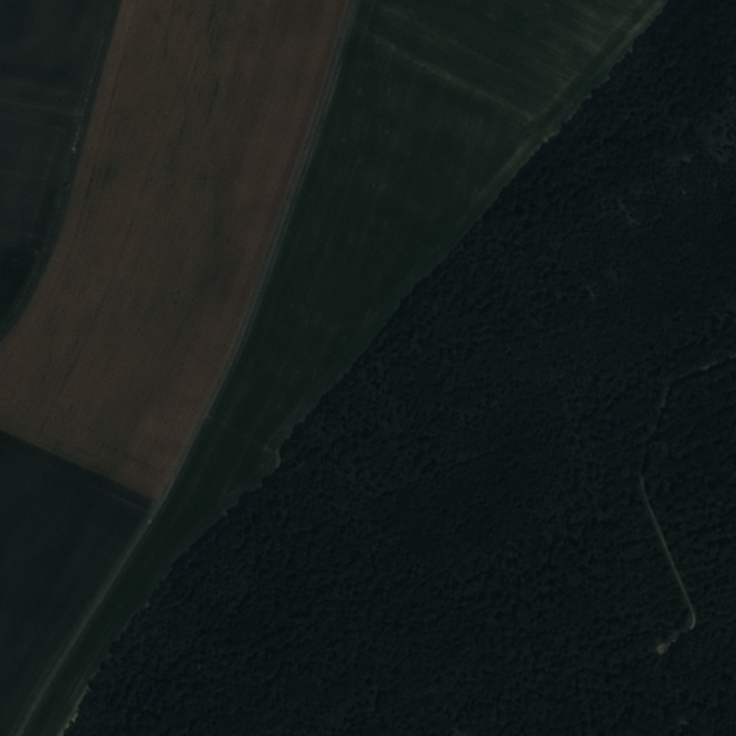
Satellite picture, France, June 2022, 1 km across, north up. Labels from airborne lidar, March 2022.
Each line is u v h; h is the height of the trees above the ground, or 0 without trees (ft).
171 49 0
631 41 0
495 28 0
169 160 0
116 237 0
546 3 0
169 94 0
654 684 65
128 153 0
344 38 0
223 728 55
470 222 0
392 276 0
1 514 0
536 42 0
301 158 0
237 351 0
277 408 0
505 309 47
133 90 0
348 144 0
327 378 0
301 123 0
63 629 0
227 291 0
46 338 0
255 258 0
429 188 0
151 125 0
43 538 0
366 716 46
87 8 0
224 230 0
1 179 0
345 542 47
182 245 0
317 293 0
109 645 0
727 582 55
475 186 0
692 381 52
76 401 0
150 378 0
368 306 0
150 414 0
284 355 0
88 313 0
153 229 0
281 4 0
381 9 0
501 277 63
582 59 0
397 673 78
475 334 55
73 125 0
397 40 0
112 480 0
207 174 0
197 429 0
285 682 65
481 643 65
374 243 0
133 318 0
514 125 0
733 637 62
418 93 0
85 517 0
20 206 0
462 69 0
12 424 0
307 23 0
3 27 0
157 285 0
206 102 0
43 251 0
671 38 54
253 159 0
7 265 0
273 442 0
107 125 0
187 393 0
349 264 0
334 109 0
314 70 0
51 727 0
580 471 52
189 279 0
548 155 66
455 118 0
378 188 0
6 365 0
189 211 0
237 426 0
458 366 58
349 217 0
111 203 0
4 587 0
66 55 0
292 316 0
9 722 0
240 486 0
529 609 57
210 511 0
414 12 0
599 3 0
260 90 0
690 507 55
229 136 0
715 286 18
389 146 0
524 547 60
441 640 70
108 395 0
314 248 0
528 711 54
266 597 62
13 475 0
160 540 0
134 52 0
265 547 52
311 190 0
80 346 0
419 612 32
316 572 52
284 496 55
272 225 0
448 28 0
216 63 0
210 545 64
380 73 0
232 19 0
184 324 0
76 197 0
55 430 0
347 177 0
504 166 0
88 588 0
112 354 0
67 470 0
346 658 73
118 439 0
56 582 0
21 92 0
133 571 0
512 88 0
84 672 0
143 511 0
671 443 76
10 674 0
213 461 0
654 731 77
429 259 0
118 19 0
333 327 0
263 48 0
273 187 0
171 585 37
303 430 55
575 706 64
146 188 0
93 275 0
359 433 48
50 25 0
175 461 0
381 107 0
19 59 0
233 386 0
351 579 50
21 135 0
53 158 0
